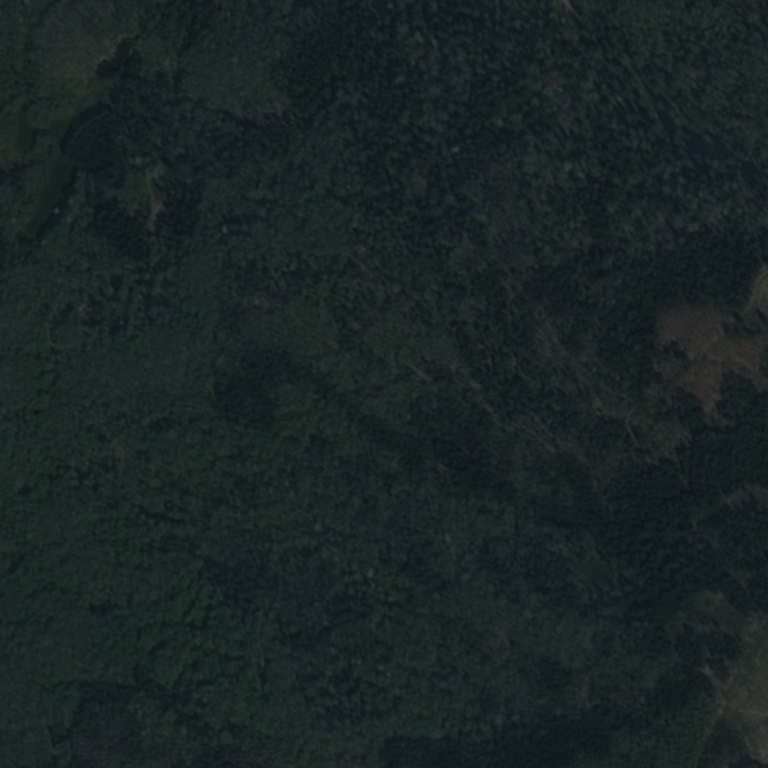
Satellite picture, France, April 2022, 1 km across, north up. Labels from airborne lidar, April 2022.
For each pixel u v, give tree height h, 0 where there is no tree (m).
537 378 27
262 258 23
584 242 17
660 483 27
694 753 14
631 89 34
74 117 0
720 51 22
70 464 22
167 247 22
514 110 9
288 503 30
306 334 18
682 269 29
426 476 29
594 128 13
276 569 26
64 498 27
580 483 23
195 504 23
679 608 9
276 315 15
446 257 26
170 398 23
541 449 18
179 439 28
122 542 22
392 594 26
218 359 25
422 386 17
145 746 21
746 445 29
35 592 17
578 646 21
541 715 16
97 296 24
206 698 24
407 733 20
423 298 26
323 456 22
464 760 20
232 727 13
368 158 28
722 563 30
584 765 12
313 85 29
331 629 18
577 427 25
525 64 18
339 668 28
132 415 23
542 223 20
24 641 22
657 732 21
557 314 22
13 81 9
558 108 11
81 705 12
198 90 26
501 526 23
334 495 22
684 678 19
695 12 27
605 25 37
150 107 32
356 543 25
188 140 29
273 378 27
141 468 10
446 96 22
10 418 24
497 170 26
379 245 23
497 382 29
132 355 20
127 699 21
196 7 25
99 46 19
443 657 21
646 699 20
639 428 7
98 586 24
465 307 23
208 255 26
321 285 25
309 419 28
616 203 26
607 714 17
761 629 0
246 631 24
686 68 25
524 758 18
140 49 21
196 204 10
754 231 8
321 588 24
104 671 14
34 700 23
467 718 11
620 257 23
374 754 12
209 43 25
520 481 18
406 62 11
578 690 21
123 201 18
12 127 22
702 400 11
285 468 21
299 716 19
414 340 20
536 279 18
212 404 24
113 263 22
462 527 26
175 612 23
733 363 10
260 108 30
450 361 20
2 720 17
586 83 28
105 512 23
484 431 26
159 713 19
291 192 29
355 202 27
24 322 21
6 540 19
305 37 31
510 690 21
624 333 21
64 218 15
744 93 18
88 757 17
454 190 9
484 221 24
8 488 22
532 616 30
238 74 16
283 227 28
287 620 25
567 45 8
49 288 23
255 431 21
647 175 12
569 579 29
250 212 25
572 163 25
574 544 26
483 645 16
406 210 27
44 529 18
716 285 25
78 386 20
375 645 7
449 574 29
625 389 18
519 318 24
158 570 24
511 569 27
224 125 28
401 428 22
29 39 7
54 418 23
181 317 24
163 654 19
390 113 29
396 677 28
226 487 23
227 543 29
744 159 28
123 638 19
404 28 27
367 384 27
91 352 24
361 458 23
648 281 28
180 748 17
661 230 26
